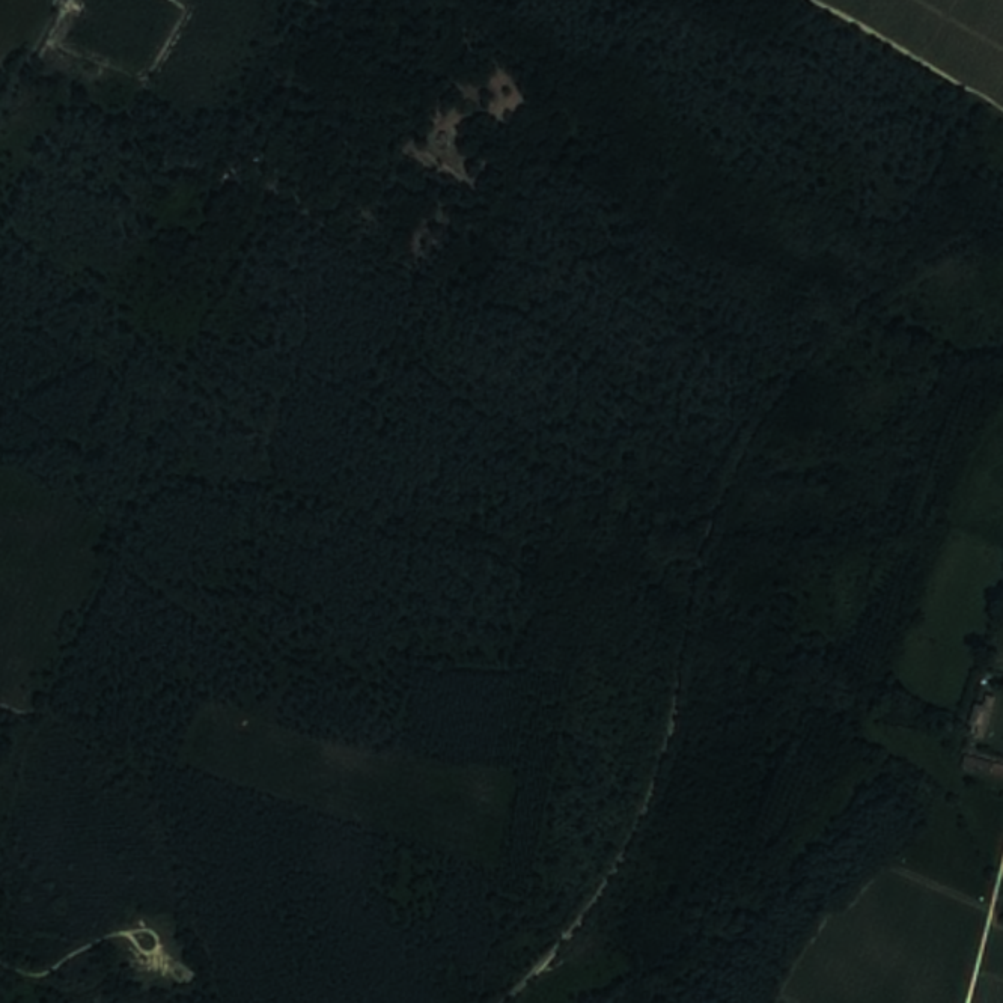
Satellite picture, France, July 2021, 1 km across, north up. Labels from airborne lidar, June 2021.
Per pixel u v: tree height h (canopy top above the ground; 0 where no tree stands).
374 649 16
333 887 10
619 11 24
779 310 20
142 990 14
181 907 9
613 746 8
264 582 20
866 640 25
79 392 20
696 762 10
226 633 12
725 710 9
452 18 16
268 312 21
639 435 14
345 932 12
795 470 15
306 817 9
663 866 7
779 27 13
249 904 11
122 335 24
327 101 16
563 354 16
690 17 22
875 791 10
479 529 17
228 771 0
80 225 29
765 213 17
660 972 25
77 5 0
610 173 19
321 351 15
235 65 7
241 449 25
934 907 0
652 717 17
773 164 24
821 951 0
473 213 21
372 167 16
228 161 16
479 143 16
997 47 0
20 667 0
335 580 19
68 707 14
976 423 17
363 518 18
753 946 24
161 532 23
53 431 15
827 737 20
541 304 20
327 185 18
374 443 20
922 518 17
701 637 13
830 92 18
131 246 21
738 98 25
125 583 15
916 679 0
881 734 0
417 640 16
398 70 21
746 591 7
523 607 22
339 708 13
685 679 14
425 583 20
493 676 11
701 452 15
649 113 22
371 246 14
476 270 10
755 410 19
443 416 17
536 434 20
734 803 19
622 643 12
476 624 21
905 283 21
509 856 8
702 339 17
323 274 12
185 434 25
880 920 0
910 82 19
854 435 7
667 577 20
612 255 16
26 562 0
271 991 9
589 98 22
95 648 15
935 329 7
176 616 12
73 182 28
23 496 0
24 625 0
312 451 16
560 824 9
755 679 21
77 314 26
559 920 8
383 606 22
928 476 24
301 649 7
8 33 0
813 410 17
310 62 15
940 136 10
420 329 19
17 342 17
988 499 0
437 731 11
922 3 0
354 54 15
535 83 17
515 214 12
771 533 16
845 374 11
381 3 26
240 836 11
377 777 0
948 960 0
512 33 22
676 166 21
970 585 0
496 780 0
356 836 8
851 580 8
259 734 0
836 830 9
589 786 18
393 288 14
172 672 12
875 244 20
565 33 25
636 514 23
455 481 24
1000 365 22
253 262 21
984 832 0
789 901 23
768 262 19
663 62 8
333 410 20
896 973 0
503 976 11
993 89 0
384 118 18
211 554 18
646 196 20
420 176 22
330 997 10
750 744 23
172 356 26
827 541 21
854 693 20
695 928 16
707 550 14
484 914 11
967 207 19
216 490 18
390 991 11
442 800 0
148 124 20
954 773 0
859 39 18
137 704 16
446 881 7
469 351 21
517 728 9
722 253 19
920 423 16
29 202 29
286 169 18
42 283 24
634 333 16
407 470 19
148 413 24
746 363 23
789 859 9
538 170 15
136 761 6
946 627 0
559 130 12
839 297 30
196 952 13
